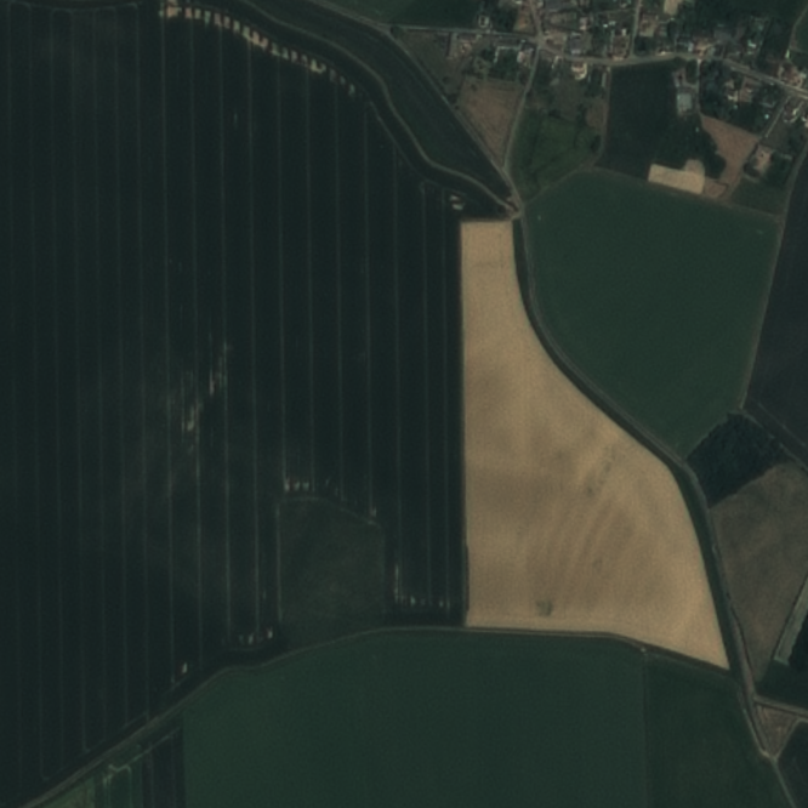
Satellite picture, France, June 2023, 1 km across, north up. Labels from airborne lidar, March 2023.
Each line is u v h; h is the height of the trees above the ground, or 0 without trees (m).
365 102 0
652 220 0
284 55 0
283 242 0
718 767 0
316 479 0
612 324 0
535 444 0
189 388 0
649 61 0
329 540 0
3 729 0
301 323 0
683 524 0
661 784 0
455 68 0
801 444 0
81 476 0
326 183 0
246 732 0
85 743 0
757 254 0
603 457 0
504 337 0
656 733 0
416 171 0
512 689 0
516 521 0
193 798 0
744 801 0
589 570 0
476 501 0
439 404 0
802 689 0
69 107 0
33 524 0
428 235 0
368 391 0
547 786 0
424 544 0
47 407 0
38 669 0
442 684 0
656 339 0
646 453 0
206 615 0
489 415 0
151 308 0
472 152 0
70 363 0
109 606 0
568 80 0
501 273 0
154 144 0
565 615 0
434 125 0
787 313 0
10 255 0
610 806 0
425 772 0
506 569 0
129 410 0
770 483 0
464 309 0
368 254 0
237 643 0
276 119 0
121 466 0
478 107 0
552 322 0
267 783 0
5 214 0
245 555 0
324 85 0
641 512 0
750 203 0
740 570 0
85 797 0
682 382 0
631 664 0
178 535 0
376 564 0
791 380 0
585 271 0
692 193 0
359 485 0
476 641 0
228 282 0
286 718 0
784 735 0
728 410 0
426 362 0
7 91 0
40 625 0
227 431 0
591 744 0
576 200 0
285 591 0
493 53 6
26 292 0
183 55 0
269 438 0
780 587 0
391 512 0
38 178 0
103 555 0
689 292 0
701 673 0
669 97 0
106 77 0
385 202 0
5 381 0
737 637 0
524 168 0
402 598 0
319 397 0
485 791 0
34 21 0
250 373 0
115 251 0
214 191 0
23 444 0
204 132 0
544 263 0
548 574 0
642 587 0
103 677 0
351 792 0
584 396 0
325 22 0
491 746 0
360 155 0
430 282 0
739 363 0
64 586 0
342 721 0
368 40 0
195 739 0
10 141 0
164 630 0
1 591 0
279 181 0
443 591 0
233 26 0
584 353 0
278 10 0
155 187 0
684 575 0
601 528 0
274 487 0
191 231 0
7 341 0
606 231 0
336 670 0
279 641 0
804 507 0
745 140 0
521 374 0
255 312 0
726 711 0
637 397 0
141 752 0
